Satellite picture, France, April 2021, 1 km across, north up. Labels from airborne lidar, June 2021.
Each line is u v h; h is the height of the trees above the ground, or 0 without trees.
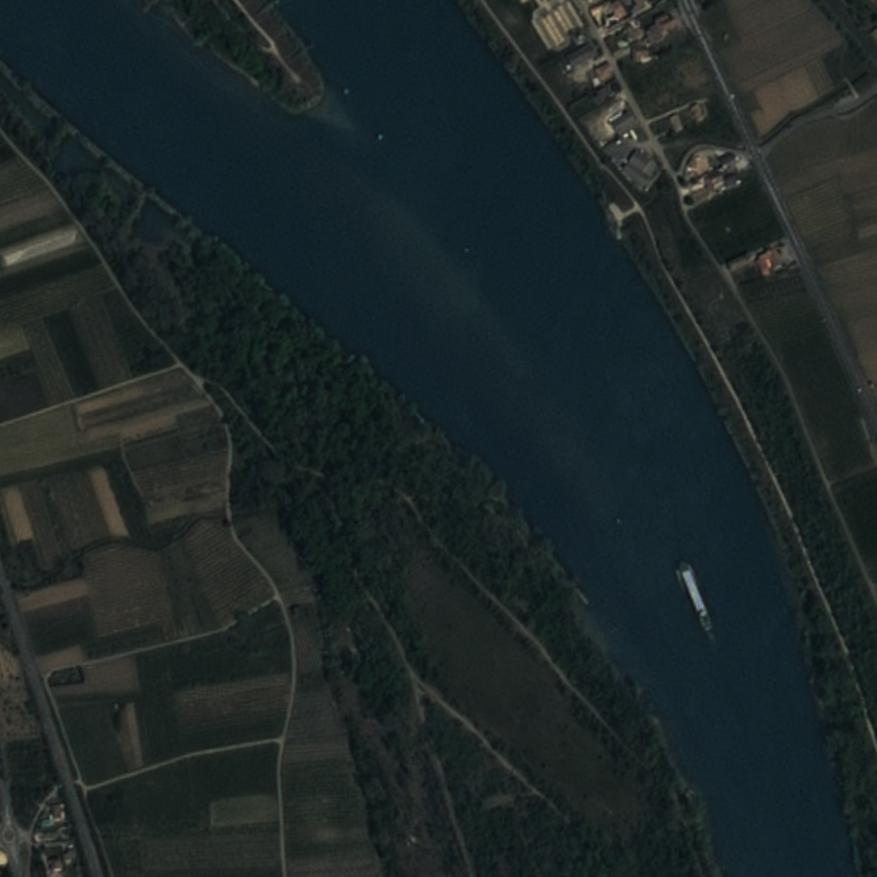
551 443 0
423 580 0
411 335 0
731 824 0
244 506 14
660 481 0
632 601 0
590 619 0
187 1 24
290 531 26
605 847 20
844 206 0
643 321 0
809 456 6
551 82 0
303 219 0
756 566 0
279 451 13
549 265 0
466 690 0
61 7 0
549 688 0
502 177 0
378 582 26
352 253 0
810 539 7
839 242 0
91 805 10
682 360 0
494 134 0
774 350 0
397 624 20
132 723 0
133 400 0
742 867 0
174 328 36
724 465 0
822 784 0
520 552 26
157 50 0
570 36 9
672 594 0
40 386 0
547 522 0
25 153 7
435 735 19
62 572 19
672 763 14
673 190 8
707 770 0
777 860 0
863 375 0
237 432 14
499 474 0
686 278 0
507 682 0
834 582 11
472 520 13
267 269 0
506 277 0
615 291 0
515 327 0
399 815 11
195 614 0
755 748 0
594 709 8
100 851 9
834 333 0
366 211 0
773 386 8
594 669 21
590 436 0
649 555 0
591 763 0
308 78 0
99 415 0
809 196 0
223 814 0
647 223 0
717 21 0
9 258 0
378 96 0
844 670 18
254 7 0
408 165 0
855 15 12
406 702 22
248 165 0
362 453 17
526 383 0
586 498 0
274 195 0
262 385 24
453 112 0
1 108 20
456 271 0
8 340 0
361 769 11
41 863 10
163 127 0
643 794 8
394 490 27
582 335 0
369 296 0
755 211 0
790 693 0
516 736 0
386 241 0
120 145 0
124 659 0
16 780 0
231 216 0
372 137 0
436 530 18
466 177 0
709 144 0
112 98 0
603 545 0
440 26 0
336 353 10
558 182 0
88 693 0
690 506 0
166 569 0
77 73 0
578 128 0
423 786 6
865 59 6
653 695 0
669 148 0
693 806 23
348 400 12
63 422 0
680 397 0
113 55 0
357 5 0
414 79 0
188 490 0
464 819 19
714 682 0
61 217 0
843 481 0
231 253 13
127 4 0
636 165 0
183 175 0
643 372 0
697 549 0
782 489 10
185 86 0
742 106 0
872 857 22
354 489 19
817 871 0
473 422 0
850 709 16
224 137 0
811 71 0
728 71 0
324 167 0
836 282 0
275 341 17
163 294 37
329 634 12
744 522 0
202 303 24
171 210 0
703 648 0
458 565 20
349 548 19
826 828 0
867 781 23
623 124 0
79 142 9
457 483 25
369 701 16
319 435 25
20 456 0
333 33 0
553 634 17
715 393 8
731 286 0
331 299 0
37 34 0
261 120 0
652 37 0
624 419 0
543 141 0
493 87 0
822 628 22
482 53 0
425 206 0
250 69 16
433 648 0
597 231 0
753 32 0
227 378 14
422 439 28
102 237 34
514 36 0
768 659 0
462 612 0
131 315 0
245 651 6
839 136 0
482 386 0
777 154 0
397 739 25
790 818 0
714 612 0
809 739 0
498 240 0
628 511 0
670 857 17
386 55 0
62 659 0
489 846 7
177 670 0
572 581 12
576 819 21
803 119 0
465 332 0
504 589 23
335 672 15
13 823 0
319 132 0
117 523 0
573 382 0
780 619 0
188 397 0
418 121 0
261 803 0
